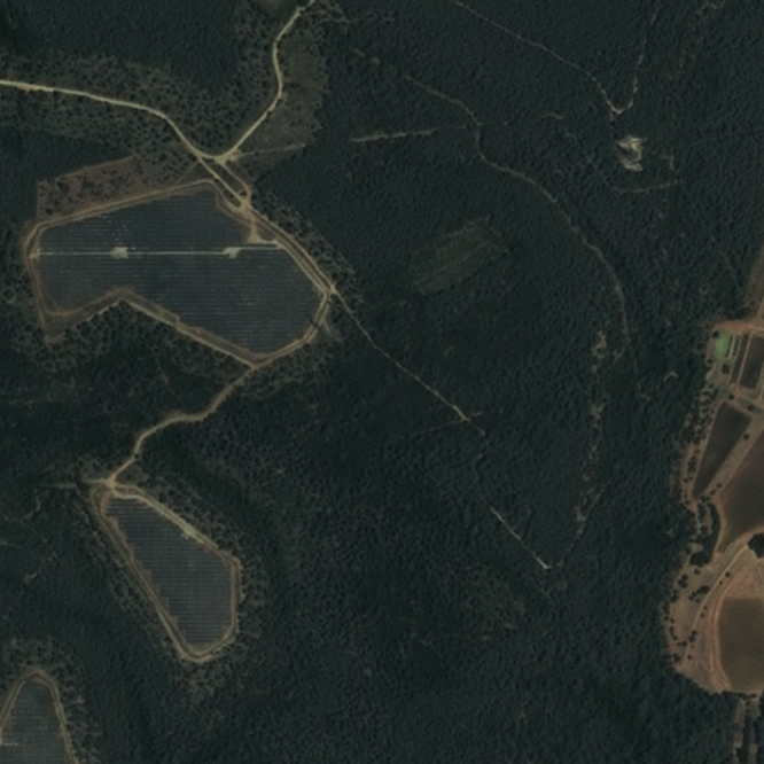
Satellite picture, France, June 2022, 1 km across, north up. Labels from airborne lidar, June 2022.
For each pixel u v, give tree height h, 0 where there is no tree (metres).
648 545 11
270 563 17
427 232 15
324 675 12
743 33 20
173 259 0
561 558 14
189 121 8
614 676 24
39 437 9
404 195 16
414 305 6
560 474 16
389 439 16
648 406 15
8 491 13
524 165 14
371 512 15
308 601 8
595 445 12
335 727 13
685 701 24
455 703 14
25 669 6
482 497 14
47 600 18
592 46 14
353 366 7
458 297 12
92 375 6
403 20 16
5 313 15
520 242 11
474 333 7
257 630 14
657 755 19
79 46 12
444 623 12
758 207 20
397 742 15
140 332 13
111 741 15
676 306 12
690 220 16
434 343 7
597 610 7
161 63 10
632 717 16
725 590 0
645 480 22
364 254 12
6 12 11
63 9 15
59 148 13
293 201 15
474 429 6
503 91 19
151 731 16
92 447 7
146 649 13
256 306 0
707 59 16
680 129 6
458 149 12
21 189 12
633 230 15
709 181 17
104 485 0
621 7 15
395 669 7
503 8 15
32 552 12
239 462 6
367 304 7
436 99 14
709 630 0
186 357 7
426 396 7
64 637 13
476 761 14
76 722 12
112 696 16
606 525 19
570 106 15
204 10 16
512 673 17
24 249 0
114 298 0
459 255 0
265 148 0
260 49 18
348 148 14
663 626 8
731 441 0
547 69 16
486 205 16
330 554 8
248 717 10
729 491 0
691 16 18
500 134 16
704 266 17
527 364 15
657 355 13
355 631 10
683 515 9
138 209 0
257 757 8
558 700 8
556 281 14
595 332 14
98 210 0
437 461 17
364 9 14
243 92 15
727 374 8
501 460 17
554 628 16
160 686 15
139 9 16
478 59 15
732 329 0
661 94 15
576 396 18
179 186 0
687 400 11
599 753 14
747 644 0
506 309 8
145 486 12
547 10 14
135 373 11
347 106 16
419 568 12
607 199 15
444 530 8
